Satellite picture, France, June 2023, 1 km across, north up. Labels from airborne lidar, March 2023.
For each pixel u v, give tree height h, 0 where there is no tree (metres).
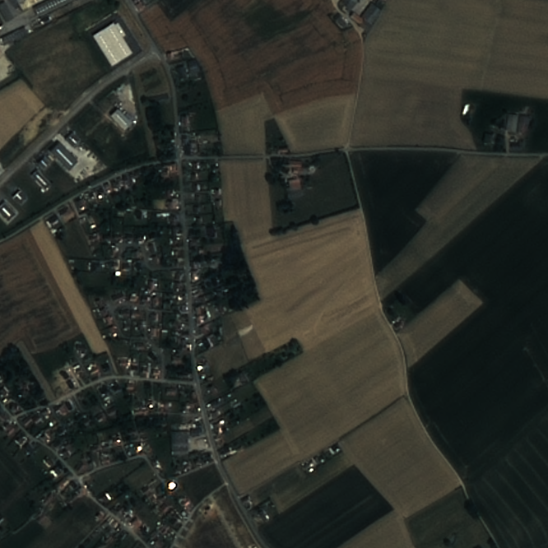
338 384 0
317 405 0
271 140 0
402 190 0
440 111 0
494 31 0
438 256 0
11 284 0
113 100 0
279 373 0
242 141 0
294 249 0
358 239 0
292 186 0
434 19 0
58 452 0
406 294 0
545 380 0
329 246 0
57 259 0
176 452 0
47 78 0
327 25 0
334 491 0
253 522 0
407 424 0
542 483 0
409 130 0
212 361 0
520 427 0
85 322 0
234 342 0
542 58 0
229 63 0
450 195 0
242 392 0
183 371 10
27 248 0
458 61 0
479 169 0
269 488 0
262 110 0
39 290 0
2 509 0
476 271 0
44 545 0
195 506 0
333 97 0
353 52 0
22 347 0
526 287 0
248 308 0
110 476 0
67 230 0
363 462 0
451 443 0
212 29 0
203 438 0
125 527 0
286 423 0
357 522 0
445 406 0
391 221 0
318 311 0
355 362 0
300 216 0
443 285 0
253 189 0
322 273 0
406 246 0
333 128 0
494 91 0
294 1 0
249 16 0
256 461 0
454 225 0
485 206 0
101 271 0
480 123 0
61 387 0
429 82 0
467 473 0
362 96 0
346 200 0
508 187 0
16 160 0
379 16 8
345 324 0
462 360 0
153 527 0
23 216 0
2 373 7
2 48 0
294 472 0
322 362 0
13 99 0
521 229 0
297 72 0
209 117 0
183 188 0
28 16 0
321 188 0
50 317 0
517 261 0
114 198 13
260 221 0
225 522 0
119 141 0
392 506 0
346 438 0
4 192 0
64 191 0
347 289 0
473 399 0
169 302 6
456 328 0
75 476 0
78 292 0
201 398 0
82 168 0
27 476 0
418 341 0
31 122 0
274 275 0
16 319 0
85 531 0
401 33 0
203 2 0
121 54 0
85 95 0
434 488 0
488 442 0
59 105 0
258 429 0
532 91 0
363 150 0
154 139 8
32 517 0
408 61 0
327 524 0
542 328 0
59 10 0
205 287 12
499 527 0
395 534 0
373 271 0
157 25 0
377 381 0
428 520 0
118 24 0
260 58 0
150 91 0
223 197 0
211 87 0
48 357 0
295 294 0
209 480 0
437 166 0
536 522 0
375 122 0
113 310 0
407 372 0
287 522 0
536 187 0
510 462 0
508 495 0
